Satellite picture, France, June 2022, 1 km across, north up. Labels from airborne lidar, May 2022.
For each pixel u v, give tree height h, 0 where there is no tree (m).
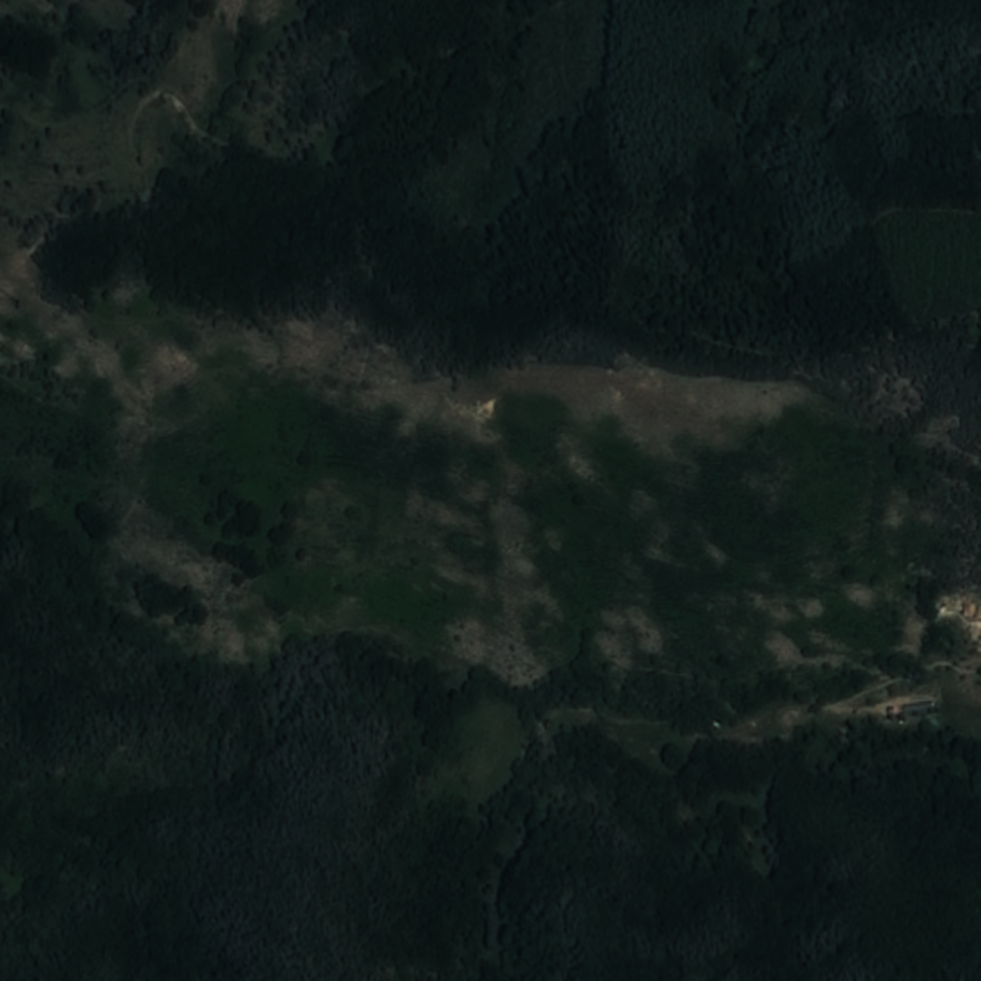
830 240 24
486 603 0
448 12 17
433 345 20
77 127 0
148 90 6
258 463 0
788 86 16
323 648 17
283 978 18
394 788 15
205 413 0
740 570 0
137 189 0
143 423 0
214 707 19
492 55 14
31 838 14
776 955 26
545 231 13
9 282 0
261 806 24
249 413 0
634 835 8
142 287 0
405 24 18
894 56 22
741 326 21
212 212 26
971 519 11
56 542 22
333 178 22
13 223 12
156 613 19
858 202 20
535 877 19
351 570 0
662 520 0
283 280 23
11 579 19
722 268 22
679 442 0
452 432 0
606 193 19
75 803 8
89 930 10
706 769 22
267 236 24
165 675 23
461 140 17
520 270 13
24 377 10
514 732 0
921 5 16
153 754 8
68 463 14
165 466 0
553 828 13
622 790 11
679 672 9
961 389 17
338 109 20
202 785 9
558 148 18
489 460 0
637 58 26
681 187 20
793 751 10
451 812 15
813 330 11
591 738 16
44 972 20
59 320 0
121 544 0
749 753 20
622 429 0
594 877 14
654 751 0
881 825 15
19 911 20
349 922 18
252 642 0
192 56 0
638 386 0
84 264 13
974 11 13
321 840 18
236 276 19
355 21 16
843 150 17
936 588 12
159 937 29
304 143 13
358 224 20
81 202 13
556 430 0
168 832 16
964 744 27
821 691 13
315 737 11
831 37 13
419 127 10
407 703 9
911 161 17
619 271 15
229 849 22
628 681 7
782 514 0
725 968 13
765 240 5
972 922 17
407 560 0
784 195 21
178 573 0
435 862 16
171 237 16
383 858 12
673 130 27
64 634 20
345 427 0
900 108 25
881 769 11
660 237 10
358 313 9
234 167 19
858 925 20
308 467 11
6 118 13
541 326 16
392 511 0
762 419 0
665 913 24
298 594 0
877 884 16
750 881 16
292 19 0
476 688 21
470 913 25
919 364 9
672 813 17
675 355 11
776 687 16
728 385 0
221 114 10
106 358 0
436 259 19
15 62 16
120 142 0
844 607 0
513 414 0
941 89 25
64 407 0
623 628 0
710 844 13
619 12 23
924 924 20
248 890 20
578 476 0
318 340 0
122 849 24
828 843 18
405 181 14
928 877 17
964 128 21
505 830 16
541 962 10
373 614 0
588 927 12
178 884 23
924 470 8
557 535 0
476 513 0
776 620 0
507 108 8
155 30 12
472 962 20
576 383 0
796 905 17
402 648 10
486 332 20
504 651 0
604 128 20
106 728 17
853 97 22
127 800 8
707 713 13
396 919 19
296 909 16
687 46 29
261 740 18
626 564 0
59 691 24
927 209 24
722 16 29
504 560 0
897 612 8
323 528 0
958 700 0
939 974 23
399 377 0
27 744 16
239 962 14
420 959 9
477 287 25
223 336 0
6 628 19
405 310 21
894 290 16
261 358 0
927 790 19
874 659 11
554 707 9
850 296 17
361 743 17
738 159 16
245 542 7
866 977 17
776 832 10
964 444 11
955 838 18
